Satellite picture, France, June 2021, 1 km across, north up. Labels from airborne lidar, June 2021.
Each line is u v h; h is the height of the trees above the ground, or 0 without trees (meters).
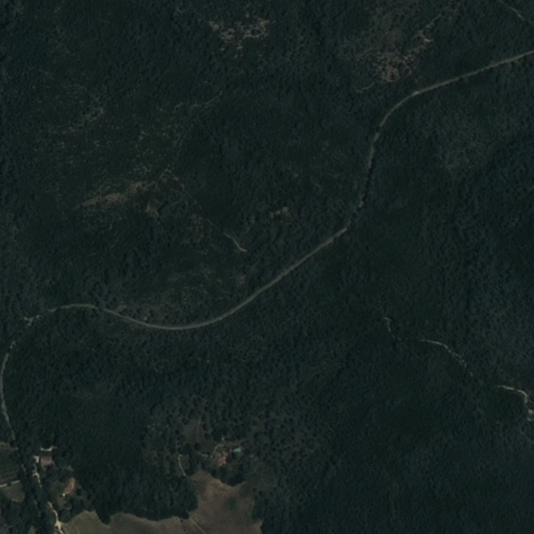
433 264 7
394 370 9
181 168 7
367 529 11
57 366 15
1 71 18
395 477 7
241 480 10
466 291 8
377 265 9
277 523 10
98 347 7
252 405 16
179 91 6
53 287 9
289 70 20
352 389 6
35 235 9
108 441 7
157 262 6
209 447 0
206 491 0
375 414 11
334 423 11
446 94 14
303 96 14
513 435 14
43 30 10
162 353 13
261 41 6
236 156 18
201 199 6
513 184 11
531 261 12
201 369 19
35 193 9
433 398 9
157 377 10
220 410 17
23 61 9
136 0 20
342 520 11
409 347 8
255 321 8
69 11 6
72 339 9
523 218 19
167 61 8
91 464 9
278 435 17
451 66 12
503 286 20
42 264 17
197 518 0
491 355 16
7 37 9
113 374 20
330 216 19
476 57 13
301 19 14
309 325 12
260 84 18
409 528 11
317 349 17
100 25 10
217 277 7
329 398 13
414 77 6
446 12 15
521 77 16
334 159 5
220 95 8
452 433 10
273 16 15
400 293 6
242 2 10
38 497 21
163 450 10
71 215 6
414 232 12
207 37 17
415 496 12
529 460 7
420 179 12
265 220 8
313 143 6
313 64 9
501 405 9
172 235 6
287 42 13
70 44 8
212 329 17
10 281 13
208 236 7
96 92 8
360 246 17
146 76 15
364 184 11
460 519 16
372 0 6
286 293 7
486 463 11
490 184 5
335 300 8
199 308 9
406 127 21
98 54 12
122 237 6
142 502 12
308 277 18
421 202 12
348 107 20
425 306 7
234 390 16
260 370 12
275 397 14
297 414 17
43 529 17
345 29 9
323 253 10
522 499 13
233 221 8
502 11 15
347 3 15
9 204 17
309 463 13
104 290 17
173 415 13
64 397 7
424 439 13
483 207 19
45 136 8
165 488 14
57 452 13
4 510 12
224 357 11
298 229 17
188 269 5
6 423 21
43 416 9
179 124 6
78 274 13
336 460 17
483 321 6
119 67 14
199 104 8
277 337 16
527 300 8
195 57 9
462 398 14
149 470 7
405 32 10
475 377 7
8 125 11
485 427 12
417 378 8
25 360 13
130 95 11
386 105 14
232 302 13
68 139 5
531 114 16
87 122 8
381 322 17
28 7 6
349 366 17
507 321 11
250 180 19
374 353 15
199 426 0
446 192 17
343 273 21
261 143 7
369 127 9
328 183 8
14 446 16
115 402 7
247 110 9
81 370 8
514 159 19
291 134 10
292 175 7
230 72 17
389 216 8
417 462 16
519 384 13
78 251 9
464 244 13
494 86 16
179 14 7
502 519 7
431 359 9
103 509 17
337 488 12
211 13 13
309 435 16
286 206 13
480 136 14
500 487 10
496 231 11
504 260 11
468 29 20
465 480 11
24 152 8
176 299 7
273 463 18
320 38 20
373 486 9
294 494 9
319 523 7
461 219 16
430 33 13
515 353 15
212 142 19
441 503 16
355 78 12
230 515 0
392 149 17
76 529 0
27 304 16
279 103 9
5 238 11
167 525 0
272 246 16
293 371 15
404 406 13
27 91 6
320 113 15
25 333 17
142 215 8
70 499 7
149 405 7
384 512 10
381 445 8
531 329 13
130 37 11
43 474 19
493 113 9
